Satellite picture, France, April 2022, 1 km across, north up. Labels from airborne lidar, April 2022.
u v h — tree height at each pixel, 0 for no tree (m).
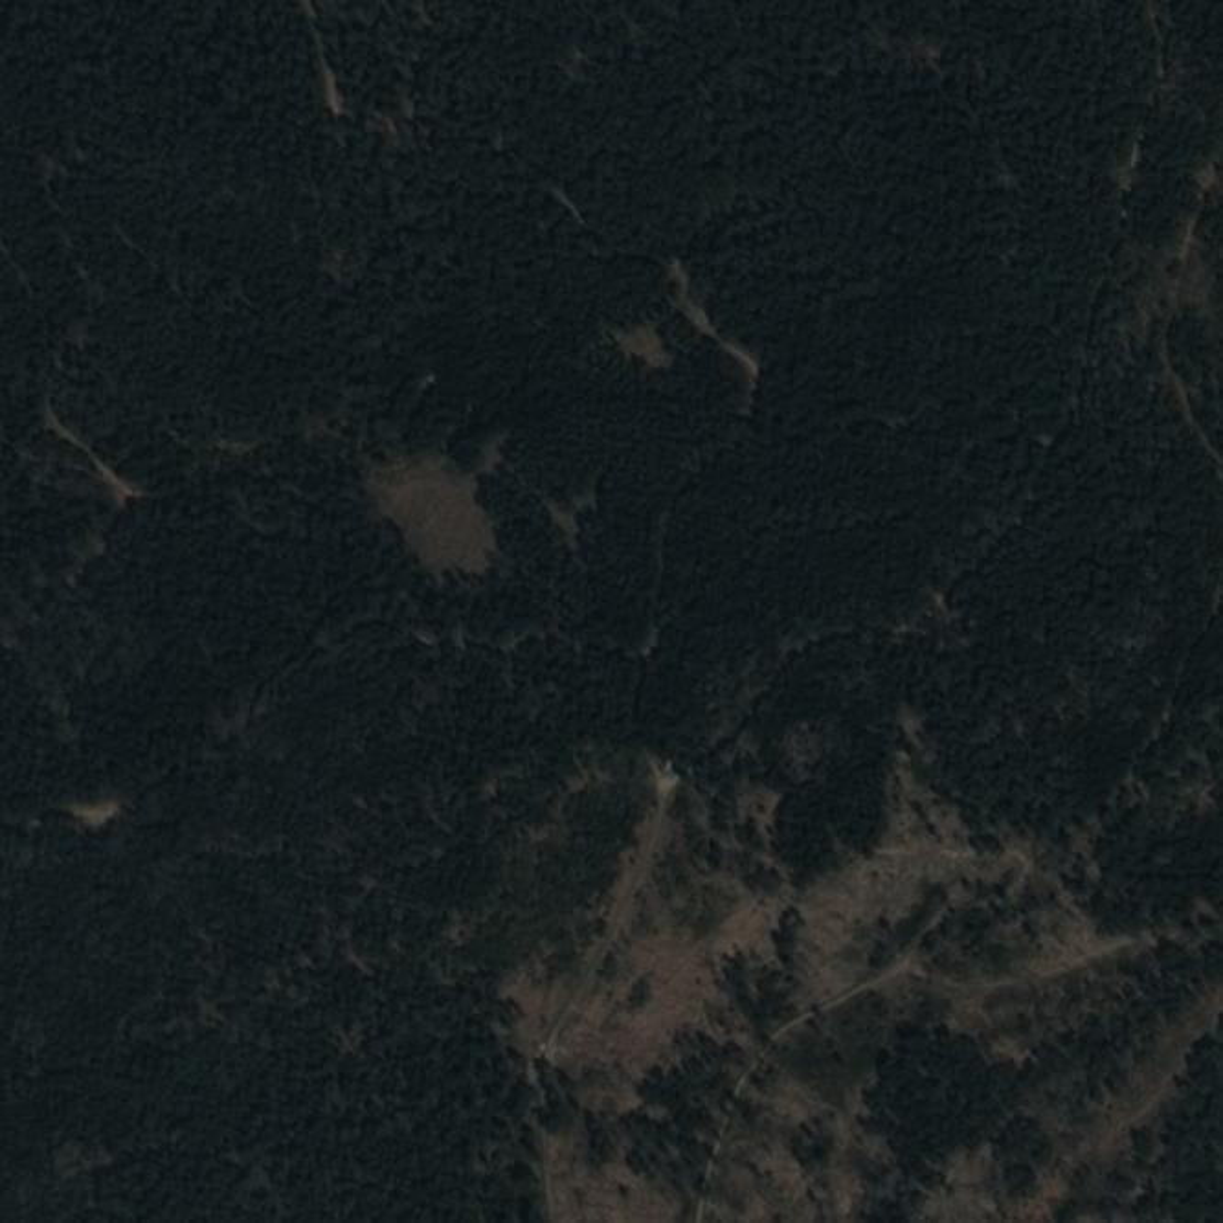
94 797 22
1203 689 13
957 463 18
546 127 32
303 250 11
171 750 19
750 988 35
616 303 20
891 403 21
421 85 12
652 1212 0
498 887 13
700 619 12
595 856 8
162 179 18
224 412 27
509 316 25
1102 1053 28
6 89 27
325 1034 13
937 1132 33
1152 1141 23
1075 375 19
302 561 20
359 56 27
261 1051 11
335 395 20
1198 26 22
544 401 16
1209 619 14
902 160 14
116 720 19
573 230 29
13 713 17
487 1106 8
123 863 13
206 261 27
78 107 24
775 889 19
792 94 24
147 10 26
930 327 17
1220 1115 32
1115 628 15
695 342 23
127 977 8
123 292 22
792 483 11
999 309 20
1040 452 20
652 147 28
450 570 0
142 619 21
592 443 24
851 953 0
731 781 23
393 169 29
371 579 14
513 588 17
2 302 20
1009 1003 0
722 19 29
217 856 8
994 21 15
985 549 14
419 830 17
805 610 14
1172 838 9
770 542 14
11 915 12
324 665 17
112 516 26
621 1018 0
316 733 10
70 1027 11
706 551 12
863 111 26
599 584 20
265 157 24
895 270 27
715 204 30
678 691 15
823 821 25
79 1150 11
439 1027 23
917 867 0
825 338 14
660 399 26
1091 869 29
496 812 13
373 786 11
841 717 17
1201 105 18
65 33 24
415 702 19
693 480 10
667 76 27
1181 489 19
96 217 25
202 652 20
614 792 6
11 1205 18
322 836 10
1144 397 17
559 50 28
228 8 26
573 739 13
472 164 28
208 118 29
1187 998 28
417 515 0
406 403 22
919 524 18
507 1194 11
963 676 23
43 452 17
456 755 6
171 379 21
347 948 14
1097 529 21
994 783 21
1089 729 12
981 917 8
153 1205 16
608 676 20
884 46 20
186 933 9
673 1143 35
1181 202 19
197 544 21
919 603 15
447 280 25
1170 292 24
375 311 32
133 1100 13
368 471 16
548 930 6
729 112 26
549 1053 0
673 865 6
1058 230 16
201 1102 11
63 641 23
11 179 28
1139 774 11
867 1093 0
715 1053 33
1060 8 19
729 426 24
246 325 19
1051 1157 28
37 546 20
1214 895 26
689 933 0
